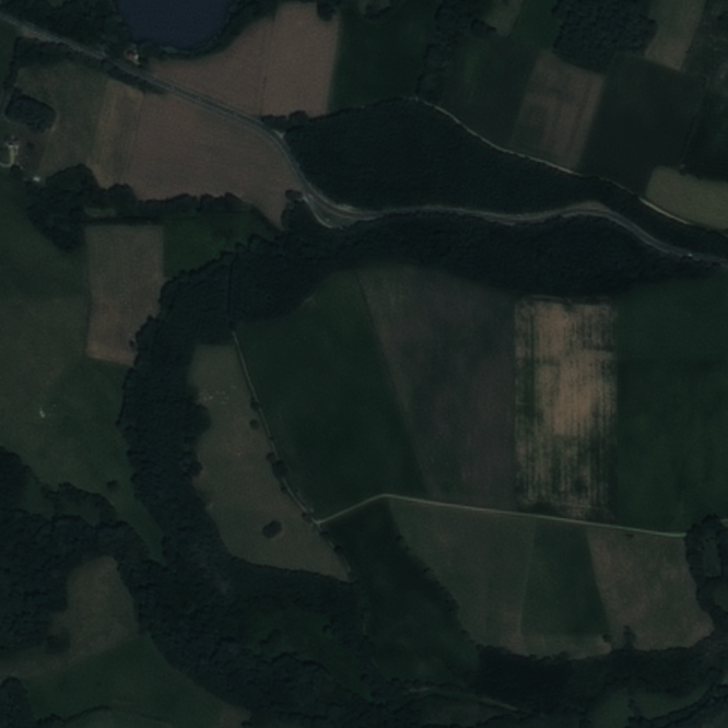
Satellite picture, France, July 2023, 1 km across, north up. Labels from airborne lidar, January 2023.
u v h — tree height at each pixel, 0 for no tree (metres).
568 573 0
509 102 0
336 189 13
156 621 9
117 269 0
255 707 21
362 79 0
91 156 0
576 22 12
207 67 0
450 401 0
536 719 15
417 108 14
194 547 12
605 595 0
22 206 0
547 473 0
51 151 0
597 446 0
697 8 0
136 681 0
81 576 0
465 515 0
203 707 0
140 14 0
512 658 12
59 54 9
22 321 0
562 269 10
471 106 0
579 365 0
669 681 11
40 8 18
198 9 0
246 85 0
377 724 7
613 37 11
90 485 0
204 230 0
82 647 0
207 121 0
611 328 0
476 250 16
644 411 0
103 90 0
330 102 0
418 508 0
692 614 0
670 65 0
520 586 0
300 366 0
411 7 0
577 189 14
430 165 14
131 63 7
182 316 13
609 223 11
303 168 10
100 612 0
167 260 0
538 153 0
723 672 10
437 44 6
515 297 0
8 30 0
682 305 0
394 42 0
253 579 15
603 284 14
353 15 0
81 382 0
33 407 0
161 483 10
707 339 0
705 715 23
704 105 0
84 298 0
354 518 0
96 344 0
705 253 11
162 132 0
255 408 11
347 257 17
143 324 0
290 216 16
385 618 0
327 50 0
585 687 7
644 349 0
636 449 0
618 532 0
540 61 0
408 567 0
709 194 0
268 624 0
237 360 0
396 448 0
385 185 14
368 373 0
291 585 11
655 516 0
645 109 0
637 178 0
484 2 20
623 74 0
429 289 0
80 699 0
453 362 0
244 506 0
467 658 0
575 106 0
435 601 0
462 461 0
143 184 0
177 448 13
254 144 0
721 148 0
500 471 0
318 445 0
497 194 15
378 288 0
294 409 0
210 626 7
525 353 0
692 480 0
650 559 0
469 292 0
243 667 23
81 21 15
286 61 0
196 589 24
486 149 13
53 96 0
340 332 0
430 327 0
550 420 0
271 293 15
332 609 10
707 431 0
